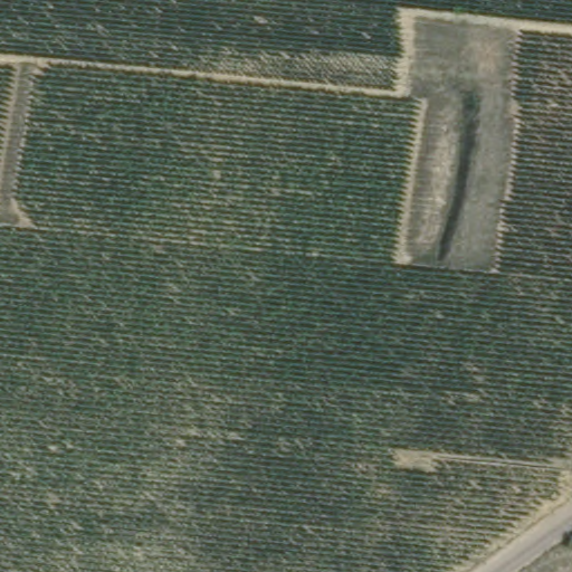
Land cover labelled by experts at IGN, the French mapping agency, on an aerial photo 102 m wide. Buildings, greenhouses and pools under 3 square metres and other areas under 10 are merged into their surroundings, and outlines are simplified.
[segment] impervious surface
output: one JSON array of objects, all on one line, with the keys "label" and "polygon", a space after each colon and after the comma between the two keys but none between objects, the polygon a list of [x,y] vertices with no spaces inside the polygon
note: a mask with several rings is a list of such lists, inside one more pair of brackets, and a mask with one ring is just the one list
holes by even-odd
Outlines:
[{"label": "impervious surface", "polygon": [[563,547],[572,547],[572,471],[563,471],[559,476],[559,496],[554,496],[552,501],[543,501],[536,512],[516,521],[514,527],[501,534],[501,538],[494,538],[483,550],[469,554],[469,559],[460,563],[465,572],[525,572],[534,563],[534,559],[541,556],[547,547],[563,543]]}]

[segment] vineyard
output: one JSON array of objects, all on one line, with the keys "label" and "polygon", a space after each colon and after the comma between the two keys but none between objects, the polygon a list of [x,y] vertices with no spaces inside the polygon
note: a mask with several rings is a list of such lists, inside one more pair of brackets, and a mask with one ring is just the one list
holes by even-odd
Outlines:
[{"label": "vineyard", "polygon": [[[409,264],[411,257],[407,250],[407,235],[427,116],[427,98],[422,98],[416,105],[407,96],[411,89],[409,69],[416,60],[413,25],[418,18],[449,22],[463,20],[469,25],[489,25],[498,29],[523,31],[516,85],[516,101],[521,107],[521,134],[512,199],[507,201],[505,210],[501,268],[496,275],[463,268],[425,268]],[[494,538],[501,538],[501,534],[514,527],[516,521],[536,512],[543,501],[552,501],[554,496],[559,496],[559,476],[563,471],[572,471],[572,0],[0,0],[0,572],[465,572],[460,563],[469,559],[469,554],[483,550]]]}]

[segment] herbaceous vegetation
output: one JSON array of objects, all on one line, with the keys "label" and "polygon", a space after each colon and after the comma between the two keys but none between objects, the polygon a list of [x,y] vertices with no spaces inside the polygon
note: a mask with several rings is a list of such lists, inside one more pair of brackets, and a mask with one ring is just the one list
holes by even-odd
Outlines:
[{"label": "herbaceous vegetation", "polygon": [[547,547],[541,556],[534,559],[534,563],[525,572],[572,572],[572,547],[563,547],[563,543]]},{"label": "herbaceous vegetation", "polygon": [[425,268],[463,268],[496,275],[501,268],[505,210],[507,201],[512,199],[521,134],[521,107],[516,101],[516,85],[523,31],[498,29],[489,25],[469,25],[463,20],[449,22],[418,18],[413,25],[416,60],[409,69],[411,89],[407,96],[416,105],[422,98],[427,98],[427,116],[407,235],[407,250],[411,257],[409,264]]}]

